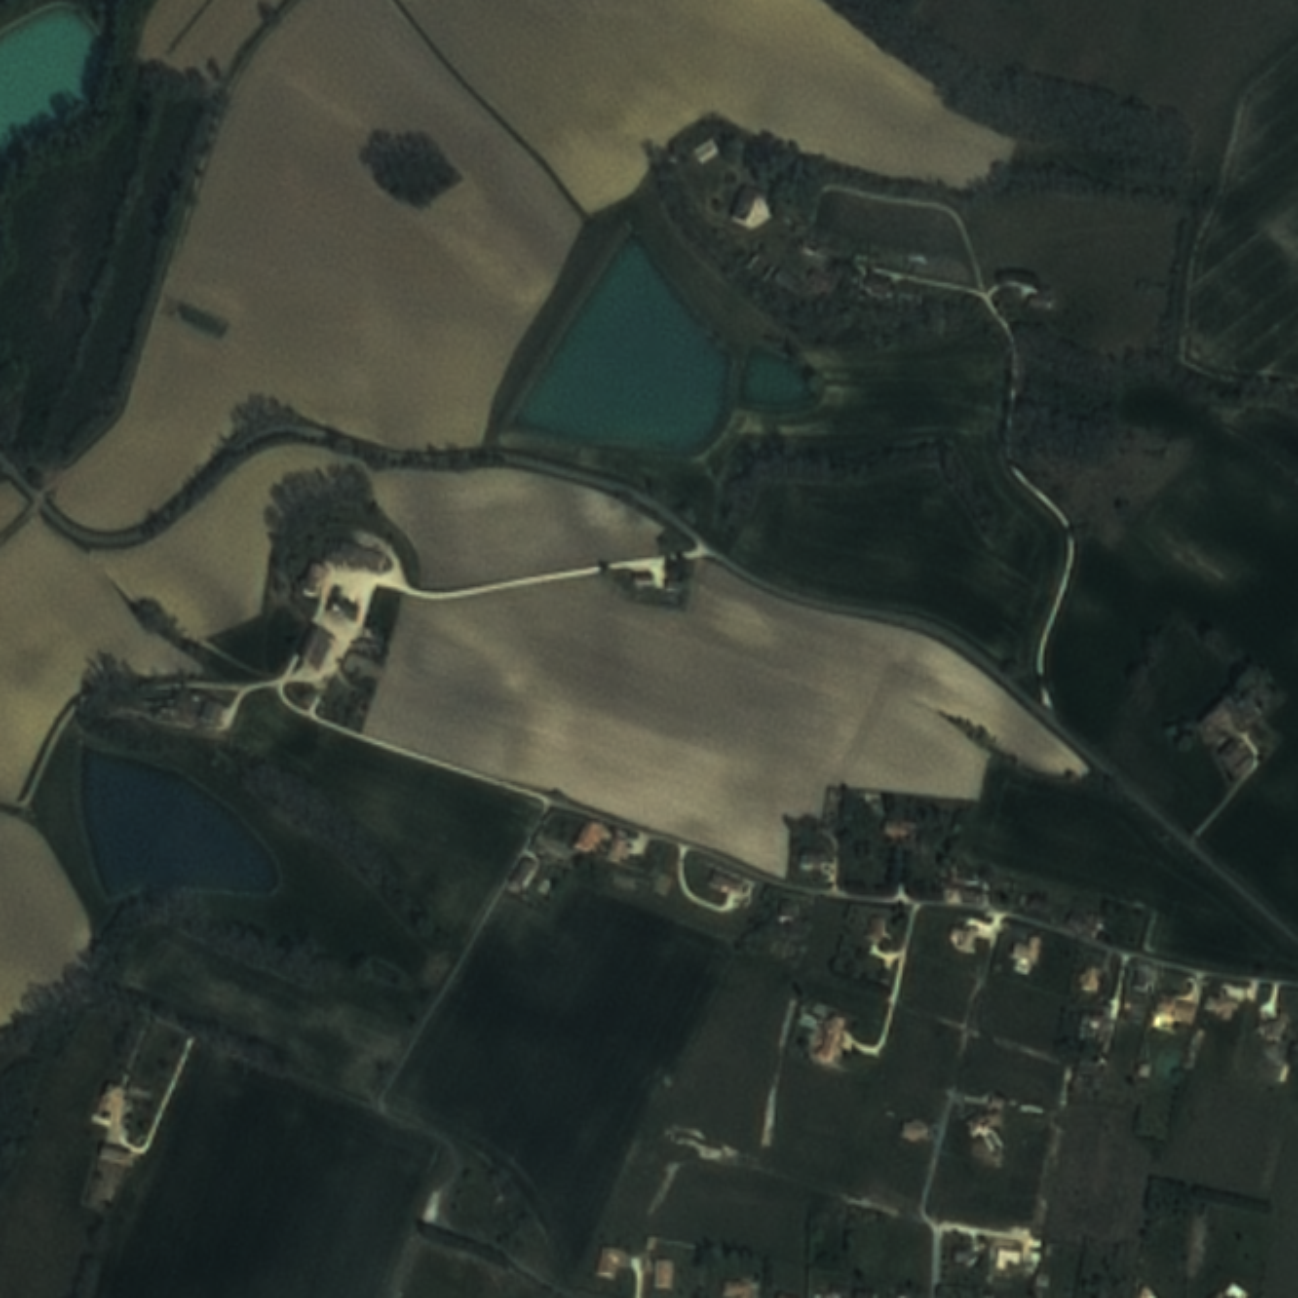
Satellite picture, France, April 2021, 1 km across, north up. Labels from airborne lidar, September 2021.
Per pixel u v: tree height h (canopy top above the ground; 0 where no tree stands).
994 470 0
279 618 0
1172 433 0
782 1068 0
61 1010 13
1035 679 0
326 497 21
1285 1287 0
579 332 0
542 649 0
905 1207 0
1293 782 0
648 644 0
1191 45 0
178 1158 0
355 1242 0
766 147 8
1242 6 0
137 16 28
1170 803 0
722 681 0
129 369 12
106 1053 0
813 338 18
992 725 0
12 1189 0
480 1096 0
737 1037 0
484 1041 0
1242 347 0
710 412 0
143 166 11
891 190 11
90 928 0
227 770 6
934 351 0
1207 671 0
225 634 0
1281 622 0
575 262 0
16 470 14
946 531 0
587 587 0
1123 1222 0
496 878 0
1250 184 0
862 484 7
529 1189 0
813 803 0
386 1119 0
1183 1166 0
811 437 0
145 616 13
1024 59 0
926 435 0
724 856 0
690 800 0
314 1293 0
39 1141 0
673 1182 0
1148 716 0
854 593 0
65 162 30
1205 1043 0
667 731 0
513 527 0
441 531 0
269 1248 0
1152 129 17
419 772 0
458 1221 0
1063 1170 0
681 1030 0
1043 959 0
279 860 0
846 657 0
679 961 0
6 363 26
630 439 0
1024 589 0
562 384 0
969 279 0
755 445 0
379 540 0
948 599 0
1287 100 0
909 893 6
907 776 0
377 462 17
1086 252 0
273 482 0
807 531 0
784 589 0
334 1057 0
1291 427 0
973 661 0
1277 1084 0
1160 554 0
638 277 0
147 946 0
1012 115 18
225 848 0
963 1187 0
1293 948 0
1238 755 0
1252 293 0
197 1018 0
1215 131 0
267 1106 0
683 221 13
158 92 17
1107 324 0
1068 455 15
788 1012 0
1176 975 0
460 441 0
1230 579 0
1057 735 0
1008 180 17
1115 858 0
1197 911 0
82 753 0
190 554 0
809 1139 0
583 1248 0
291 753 0
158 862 0
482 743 0
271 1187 0
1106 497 0
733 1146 0
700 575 0
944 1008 0
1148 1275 0
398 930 0
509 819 0
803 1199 0
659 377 0
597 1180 0
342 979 9
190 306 0
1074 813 0
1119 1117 0
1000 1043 0
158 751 7
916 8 9
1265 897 0
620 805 0
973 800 0
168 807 0
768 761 0
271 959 18
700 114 0
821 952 0
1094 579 0
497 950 0
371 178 15
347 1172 0
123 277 6
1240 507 0
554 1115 0
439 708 0
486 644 0
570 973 0
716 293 0
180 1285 0
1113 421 12
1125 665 0
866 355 0
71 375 7
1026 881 0
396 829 0
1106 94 13
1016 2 8
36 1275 0
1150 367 15
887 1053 0
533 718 0
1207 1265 0
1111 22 0
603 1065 0
